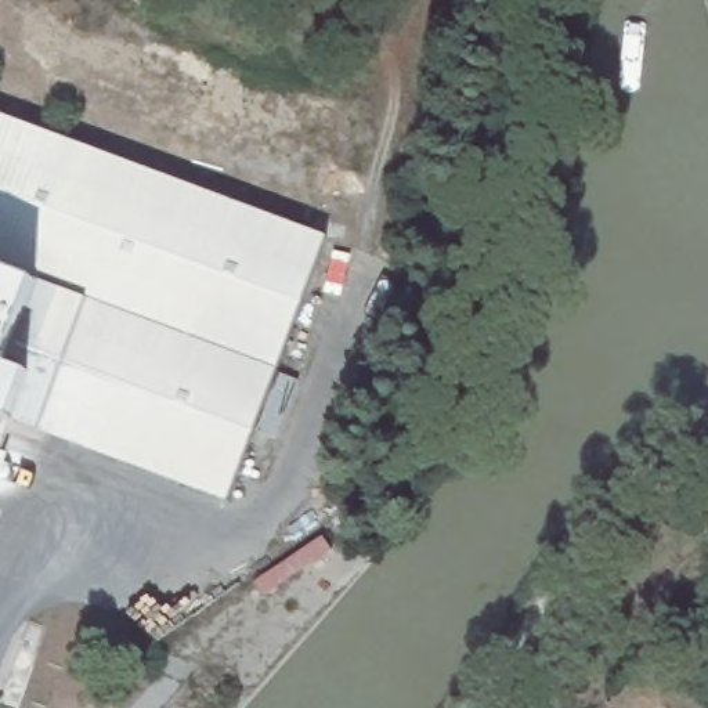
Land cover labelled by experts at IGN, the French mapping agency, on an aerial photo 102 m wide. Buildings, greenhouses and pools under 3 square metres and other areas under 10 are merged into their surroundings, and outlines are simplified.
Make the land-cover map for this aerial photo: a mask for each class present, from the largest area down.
<instances>
[{"label":"deciduous trees","instance_id":"1","mask_svg":"<svg viewBox=\"0 0 708 708\"><path fill-rule=\"evenodd\" d=\"M152 11L141 25L149 28L160 44L194 53L213 69L232 72L249 91H304L313 97H332L368 83L373 72L382 66L376 58L382 36L398 30L401 17L409 11L412 0H149ZM603 0H431L423 30V53L418 64L415 116L407 124V130H395L393 155L382 171V191L387 199V221L382 227L384 249V279L390 285L382 296H376L368 321L360 324L354 332V343L346 351V365L340 371V379L335 382V395L324 412L318 451L321 492L329 503L340 506V525L335 531L346 539L337 550L346 559L362 556L371 561H382L384 553H393L401 542H409L415 534L423 531V520L431 514V495L443 487L459 484L465 478L512 476L523 465V431L537 420L534 376L539 373V368L548 365L550 348L556 346V337L550 332L584 307L586 288L581 282V268L597 252L592 213L581 205L584 160L603 158L620 147V116L628 113L631 102L628 89L622 86V41L600 25ZM41 122L36 124L69 138L75 133V124H83L80 105L58 102L47 94L39 102ZM628 423H622L620 431L608 437L592 434L584 443L581 473L572 478V495L567 503H550L545 528L539 534V556L534 567L517 584L514 597H498L467 622V647L462 655L465 664L459 667V675L451 678L448 694L437 708H708V368L694 362V357H667L655 368L653 387L644 393H633L625 401ZM66 672L69 678L80 680L91 694L89 708H136L133 697L163 678L169 658L160 650L149 647V664H141L138 647H113L102 628H86L77 620L75 639L66 644ZM241 694L218 680L216 700L210 702V708H241Z\"/></svg>","mask_w":708,"mask_h":708},{"label":"impervious surface","instance_id":"2","mask_svg":"<svg viewBox=\"0 0 708 708\"><path fill-rule=\"evenodd\" d=\"M346 227L326 224V230L321 232L315 263L299 296V304H304L301 324L310 326V335H296V346L290 354L293 365L277 362V371L285 376L274 387L266 384L243 448V456L249 459L246 470L243 476H232V484L227 487L224 498L177 484L171 478L155 476L149 470L89 451L53 434H17L6 448V459L0 465V708H89L91 694L80 680L69 678L66 672V644L75 639L77 620L86 628H102L113 647H138L141 664H149V647L160 650L169 658L163 678L133 697L136 708H210V702L216 700L218 680L241 694V708H252L257 694L268 686V680L315 633V628L329 617V611L346 597V589L371 567V561L362 556L346 559L337 550L346 539L335 531L340 525V506L329 503L321 492L318 451L324 412L335 395V382L340 379V371L346 365V351L354 343V332L360 324L368 321L376 296H382L390 285L384 279V249L379 254L337 252L335 241H343Z\"/></svg>","mask_w":708,"mask_h":708},{"label":"water","instance_id":"3","mask_svg":"<svg viewBox=\"0 0 708 708\"><path fill-rule=\"evenodd\" d=\"M600 25L622 41V86L628 89L631 102L628 113L620 116V147L603 158L584 160L581 205L592 213L597 252L581 268V282L586 288L584 307L550 332L556 337V346L550 348L548 365L539 368V373L534 376L537 420L523 431V465L512 476L465 478L459 484L443 487L431 495V514L423 520V531L415 534L409 542H401L393 553H384L382 561H371V567L346 589V597L329 611V617L315 628V633L268 680V686L257 694L252 708H437L448 694L451 678L459 675V667L465 664L462 655L467 647V622L498 597H514L517 584L534 567L539 556V534L545 528L550 503H567L572 495V478L581 473L584 443L592 434L608 437L620 431L622 423H628L625 401L633 393H644L653 387L655 368L667 357H694V362L708 368V0H603Z\"/></svg>","mask_w":708,"mask_h":708},{"label":"building","instance_id":"4","mask_svg":"<svg viewBox=\"0 0 708 708\"><path fill-rule=\"evenodd\" d=\"M321 232L69 138L36 124L0 113V465L6 459V448L17 434H53L89 451L149 470L155 476L171 478L177 484L224 498L227 487L232 484V476H243L246 470L249 459L243 456V448L266 384L274 387L285 376L277 371V362L293 365L290 354L296 346V335H310V326L301 324L304 304H299V296L315 263Z\"/></svg>","mask_w":708,"mask_h":708},{"label":"herbaceous vegetation","instance_id":"5","mask_svg":"<svg viewBox=\"0 0 708 708\"><path fill-rule=\"evenodd\" d=\"M431 0H412L409 11L401 17L398 30L382 36L376 58L382 66L373 72L368 83L332 97H313L304 91H249L232 72L213 69L194 53L160 44L149 28L141 25L152 11L149 0H0V113L36 124L41 122L39 102L47 94L58 102L80 105L83 124H75V133L69 138L321 232L326 230V224L346 227L343 241H335L337 252L379 254L384 249L382 227L387 221V199L382 191V171L393 155L395 130H407V124L415 116L418 64L423 53V30Z\"/></svg>","mask_w":708,"mask_h":708}]
</instances>
